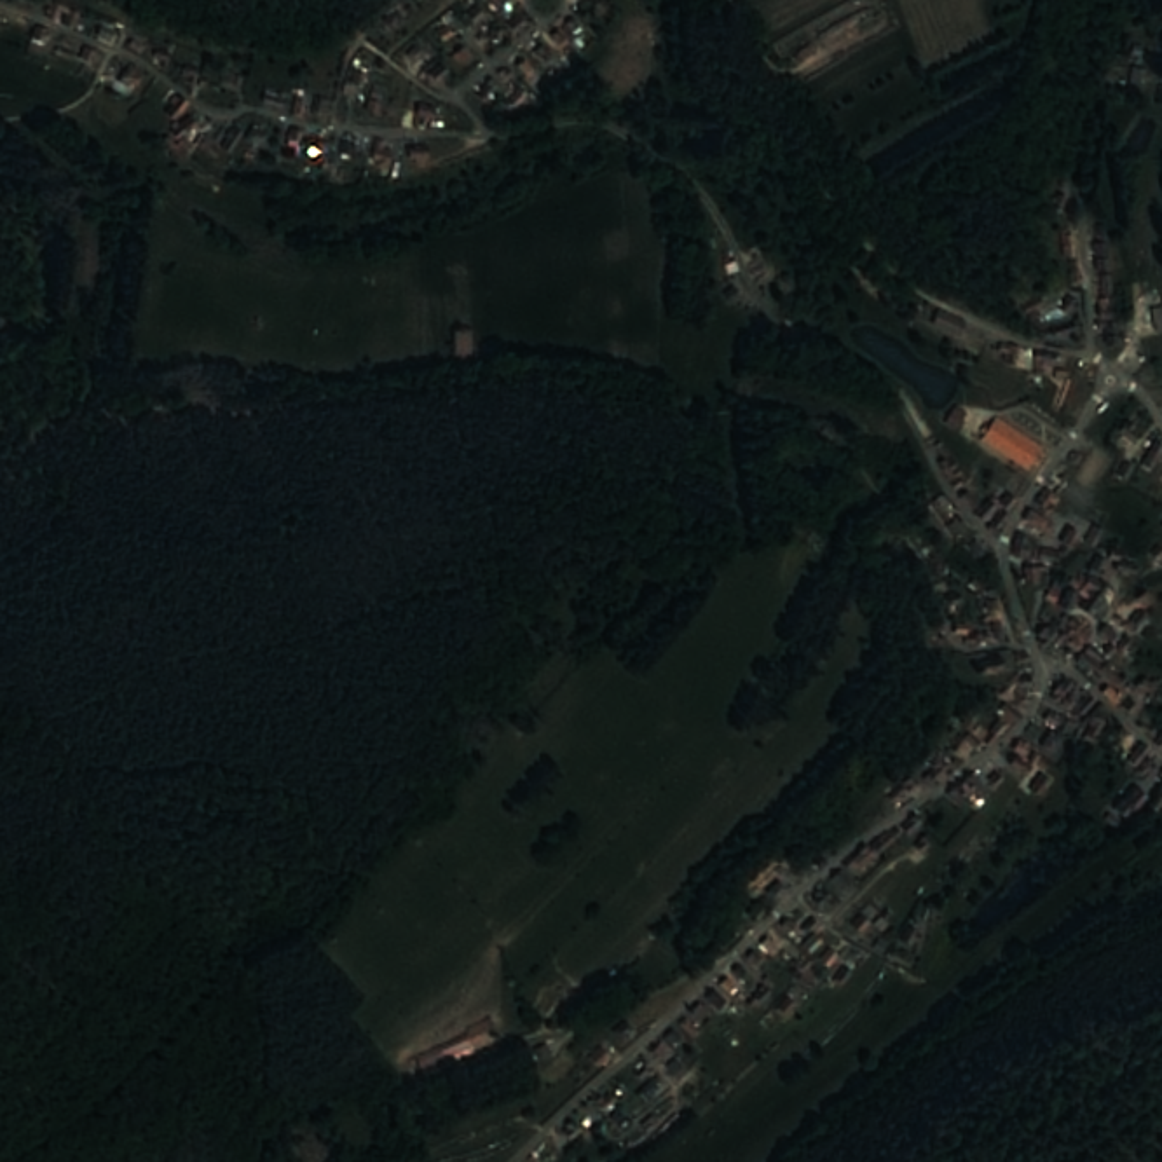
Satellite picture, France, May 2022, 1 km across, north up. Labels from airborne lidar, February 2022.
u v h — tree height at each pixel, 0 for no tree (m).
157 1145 20
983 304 15
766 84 23
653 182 15
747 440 25
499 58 0
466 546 21
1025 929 0
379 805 26
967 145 26
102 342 7
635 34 0
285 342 0
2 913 22
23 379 24
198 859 22
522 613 18
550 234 0
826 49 0
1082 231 0
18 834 29
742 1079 0
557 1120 0
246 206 0
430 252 0
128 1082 19
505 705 21
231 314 0
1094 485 0
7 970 21
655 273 0
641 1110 0
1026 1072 31
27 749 24
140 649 19
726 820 0
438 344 0
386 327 0
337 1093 14
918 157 25
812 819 26
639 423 23
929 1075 13
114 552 23
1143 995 7
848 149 9
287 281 0
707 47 25
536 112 18
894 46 0
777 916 0
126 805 22
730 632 0
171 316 0
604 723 0
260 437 24
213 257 0
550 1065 0
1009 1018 12
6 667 21
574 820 13
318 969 27
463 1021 0
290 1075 24
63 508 23
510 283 0
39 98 0
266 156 14
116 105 0
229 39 25
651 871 0
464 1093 35
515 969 0
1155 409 0
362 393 23
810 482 21
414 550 19
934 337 0
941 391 0
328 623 20
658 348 0
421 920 0
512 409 26
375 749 21
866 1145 11
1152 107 0
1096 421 0
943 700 27
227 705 25
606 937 0
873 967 0
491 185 7
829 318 18
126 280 24
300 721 24
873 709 25
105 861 22
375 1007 0
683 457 25
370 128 0
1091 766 13
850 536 23
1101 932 21
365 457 25
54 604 23
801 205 27
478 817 0
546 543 22
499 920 0
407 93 0
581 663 9
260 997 28
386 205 16
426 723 22
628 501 22
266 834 25
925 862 0
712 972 0
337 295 0
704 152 30
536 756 0
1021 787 0
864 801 0
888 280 18
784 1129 0
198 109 0
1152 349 0
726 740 0
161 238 0
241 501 22
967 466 0
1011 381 0
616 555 17
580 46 0
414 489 23
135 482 23
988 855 0
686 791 0
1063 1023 10
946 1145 34
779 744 0
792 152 35
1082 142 32
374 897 0
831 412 0
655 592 23
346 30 23
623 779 0
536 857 10
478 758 18
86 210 22
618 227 0
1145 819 18
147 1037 20
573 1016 23
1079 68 30
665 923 17
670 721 0
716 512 27
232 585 20
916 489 26
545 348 0
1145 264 0
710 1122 0
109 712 19
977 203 30
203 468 23
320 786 20
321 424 22
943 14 0
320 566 19
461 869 0
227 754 23
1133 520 0
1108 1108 24
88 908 20
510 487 20
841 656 0
